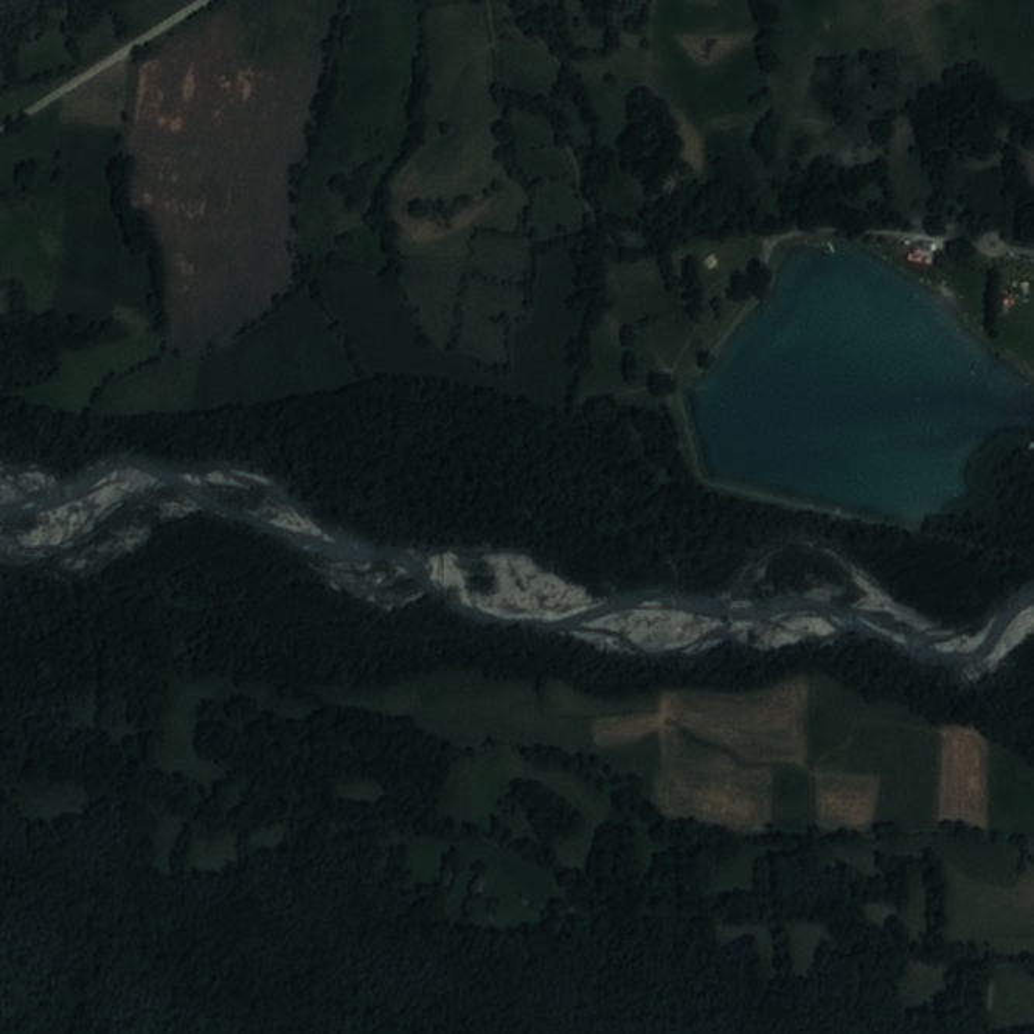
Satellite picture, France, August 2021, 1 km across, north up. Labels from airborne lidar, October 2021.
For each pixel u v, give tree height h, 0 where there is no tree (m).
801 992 19
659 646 0
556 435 17
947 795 0
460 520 15
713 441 0
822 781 0
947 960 17
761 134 13
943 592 10
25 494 0
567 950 26
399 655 17
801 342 0
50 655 16
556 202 0
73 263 0
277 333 0
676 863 8
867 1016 20
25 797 0
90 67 0
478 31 0
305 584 14
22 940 16
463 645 13
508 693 0
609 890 24
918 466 0
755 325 0
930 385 0
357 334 0
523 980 22
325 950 22
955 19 0
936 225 19
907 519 0
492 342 0
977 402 0
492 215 0
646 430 25
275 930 23
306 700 7
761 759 0
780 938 16
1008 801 0
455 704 0
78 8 14
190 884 21
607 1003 12
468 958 23
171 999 16
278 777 13
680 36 0
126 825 20
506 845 12
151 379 0
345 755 7
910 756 0
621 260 13
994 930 0
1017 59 0
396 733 15
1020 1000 0
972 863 0
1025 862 7
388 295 0
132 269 0
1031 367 0
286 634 17
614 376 0
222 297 0
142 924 25
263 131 0
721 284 0
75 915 25
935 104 18
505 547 12
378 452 19
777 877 14
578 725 0
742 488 0
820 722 0
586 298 18
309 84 0
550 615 0
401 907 19
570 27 17
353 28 9
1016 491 12
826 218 23
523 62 0
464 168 0
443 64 0
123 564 11
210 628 9
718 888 0
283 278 0
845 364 0
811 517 15
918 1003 0
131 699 13
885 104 0
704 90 0
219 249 0
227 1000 27
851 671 18
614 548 10
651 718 0
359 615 11
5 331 11
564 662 14
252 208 0
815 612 0
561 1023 19
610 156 12
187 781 20
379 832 18
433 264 0
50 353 11
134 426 17
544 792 18
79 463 16
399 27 0
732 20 0
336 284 0
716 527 8
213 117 0
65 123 0
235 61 0
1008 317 0
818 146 0
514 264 0
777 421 0
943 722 20
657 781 0
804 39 0
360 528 11
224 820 12
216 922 20
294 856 16
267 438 26
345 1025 21
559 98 15
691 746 0
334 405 22
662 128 15
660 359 0
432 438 22
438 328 0
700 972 13
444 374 0
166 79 0
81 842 24
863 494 0
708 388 0
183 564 7
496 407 23
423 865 0
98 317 0
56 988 19
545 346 0
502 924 0
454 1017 20
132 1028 13
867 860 0
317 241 0
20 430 20
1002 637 0
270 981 21
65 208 0
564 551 18
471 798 0
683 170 16
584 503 11
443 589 0
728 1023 18
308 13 0
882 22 0
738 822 0
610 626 0
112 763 28
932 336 0
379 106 0
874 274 0
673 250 15
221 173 0
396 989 18
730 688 14
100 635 20
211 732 20
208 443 13
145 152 0
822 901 19
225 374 0
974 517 13
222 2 13
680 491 17
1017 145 11
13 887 22
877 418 0
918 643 0
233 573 11
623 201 0
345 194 11
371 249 0
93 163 0
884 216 17
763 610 0
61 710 17
